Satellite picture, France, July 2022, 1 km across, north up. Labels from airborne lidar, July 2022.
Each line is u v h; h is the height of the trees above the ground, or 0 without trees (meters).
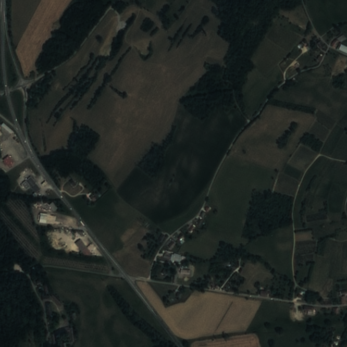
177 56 0
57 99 0
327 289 0
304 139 12
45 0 0
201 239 0
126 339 0
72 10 14
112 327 0
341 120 0
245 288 0
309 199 0
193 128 0
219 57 0
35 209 0
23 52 0
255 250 0
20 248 8
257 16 10
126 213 0
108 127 0
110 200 0
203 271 0
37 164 0
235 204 0
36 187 0
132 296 0
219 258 6
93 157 0
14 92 0
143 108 0
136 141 0
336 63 0
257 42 15
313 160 0
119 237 0
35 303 26
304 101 0
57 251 7
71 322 13
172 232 0
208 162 0
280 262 0
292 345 0
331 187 0
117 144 0
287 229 0
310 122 0
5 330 24
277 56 0
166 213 0
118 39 10
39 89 12
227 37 13
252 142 0
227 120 0
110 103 0
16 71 0
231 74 11
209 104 22
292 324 0
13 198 16
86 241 0
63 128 0
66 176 11
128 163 0
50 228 14
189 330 0
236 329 0
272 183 0
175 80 0
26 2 0
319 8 0
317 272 0
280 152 0
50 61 18
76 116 0
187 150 0
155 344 13
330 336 7
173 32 0
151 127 0
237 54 9
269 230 16
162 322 0
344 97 0
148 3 0
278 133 0
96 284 0
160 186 0
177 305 0
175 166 0
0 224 20
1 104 0
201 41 0
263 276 0
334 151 0
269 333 0
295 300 0
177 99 0
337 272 0
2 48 0
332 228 0
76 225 0
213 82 14
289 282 11
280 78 0
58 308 0
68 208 0
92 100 9
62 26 10
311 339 14
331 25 0
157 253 0
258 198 8
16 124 0
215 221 0
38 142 0
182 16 0
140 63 0
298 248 0
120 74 0
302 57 0
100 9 15
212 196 0
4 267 12
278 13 13
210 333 0
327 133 0
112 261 0
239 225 0
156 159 22
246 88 0
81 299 0
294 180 0
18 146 0
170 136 9
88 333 0
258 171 0
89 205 11
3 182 19
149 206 0
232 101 13
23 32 0
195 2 0
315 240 0
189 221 0
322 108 0
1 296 27
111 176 0
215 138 0
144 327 12
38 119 0
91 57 11
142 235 0
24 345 0
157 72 0
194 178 0
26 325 29
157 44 0
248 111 0
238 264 10
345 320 15
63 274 0
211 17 0
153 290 0
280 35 0
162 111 0
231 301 0
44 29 0
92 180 20
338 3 0
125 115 0
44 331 7
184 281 0
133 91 0
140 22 0
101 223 0
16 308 35
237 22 21
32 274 21
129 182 0
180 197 0
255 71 0
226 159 0
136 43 0
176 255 0
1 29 0
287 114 0
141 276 0
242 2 27
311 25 12
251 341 0
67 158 16
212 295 0
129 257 0
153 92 0
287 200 8
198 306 0
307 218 0
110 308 0
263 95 0
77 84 8
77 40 9
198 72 0
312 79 0
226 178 0
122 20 0
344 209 0
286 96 0
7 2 7
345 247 0
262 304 0
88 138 15
